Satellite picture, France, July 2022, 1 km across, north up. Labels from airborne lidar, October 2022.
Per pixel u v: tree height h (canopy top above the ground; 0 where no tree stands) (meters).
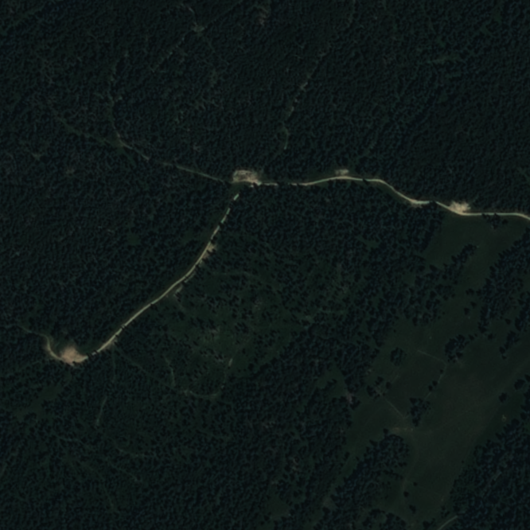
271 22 18
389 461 25
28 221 16
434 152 16
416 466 0
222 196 20
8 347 24
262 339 19
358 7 22
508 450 8
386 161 18
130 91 10
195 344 0
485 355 0
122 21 15
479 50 26
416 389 0
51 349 0
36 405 0
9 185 15
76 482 7
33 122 20
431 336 0
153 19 16
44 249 11
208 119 20
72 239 15
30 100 23
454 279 10
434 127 21
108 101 24
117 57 11
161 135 9
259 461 21
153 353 18
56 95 12
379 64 13
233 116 14
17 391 8
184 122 14
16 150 18
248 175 0
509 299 16
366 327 0
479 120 11
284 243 18
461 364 0
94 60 17
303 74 21
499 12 9
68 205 17
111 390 21
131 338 15
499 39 10
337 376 0
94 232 14
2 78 11
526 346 0
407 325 0
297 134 15
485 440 0
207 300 8
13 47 27
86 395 6
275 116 16
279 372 19
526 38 24
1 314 9
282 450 16
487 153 25
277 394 21
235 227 25
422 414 19
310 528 0
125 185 15
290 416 17
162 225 19
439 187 12
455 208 0
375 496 11
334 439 18
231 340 0
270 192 22
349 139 15
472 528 21
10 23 17
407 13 18
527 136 14
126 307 17
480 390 0
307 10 14
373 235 27
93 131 23
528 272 16
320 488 18
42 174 20
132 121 17
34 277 15
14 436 7
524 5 25
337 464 18
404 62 17
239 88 14
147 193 29
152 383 8
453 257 0
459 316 0
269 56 15
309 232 14
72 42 16
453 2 13
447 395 0
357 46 18
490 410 0
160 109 14
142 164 35
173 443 8
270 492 11
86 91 18
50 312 23
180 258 19
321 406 23
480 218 0
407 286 24
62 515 25
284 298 13
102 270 11
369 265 18
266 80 18
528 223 0
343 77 17
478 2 19
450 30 18
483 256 0
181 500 25
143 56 20
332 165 25
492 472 32
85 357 0
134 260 15
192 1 24
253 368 17
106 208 17
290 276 11
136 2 19
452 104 16
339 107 19
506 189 14
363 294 19
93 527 15
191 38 15
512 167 16
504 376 0
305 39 18
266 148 20
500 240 0
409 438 0
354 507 16
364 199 11
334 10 16
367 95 18
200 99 8
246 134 22
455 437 0
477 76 22
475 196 12
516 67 16
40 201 14
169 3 15
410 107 21
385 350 0
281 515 0
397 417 0
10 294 16
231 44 14
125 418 10
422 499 0
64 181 21
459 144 12
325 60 16
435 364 0
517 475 14
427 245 24
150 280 17
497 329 0
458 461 0
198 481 18
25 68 9
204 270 8
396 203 22
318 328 17
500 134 14
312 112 13
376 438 0
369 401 0
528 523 12
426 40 17
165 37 17
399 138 19
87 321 8
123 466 10
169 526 26
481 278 0
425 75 10
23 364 16
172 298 0
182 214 19
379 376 0
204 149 15
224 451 18
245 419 23
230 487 18
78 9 19
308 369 20
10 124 17
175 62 16
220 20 12
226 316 0
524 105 17
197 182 9
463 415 0
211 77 6
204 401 11
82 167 16
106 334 13
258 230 20
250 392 13
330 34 16
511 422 0
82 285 26
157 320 8
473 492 6
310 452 15
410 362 0
